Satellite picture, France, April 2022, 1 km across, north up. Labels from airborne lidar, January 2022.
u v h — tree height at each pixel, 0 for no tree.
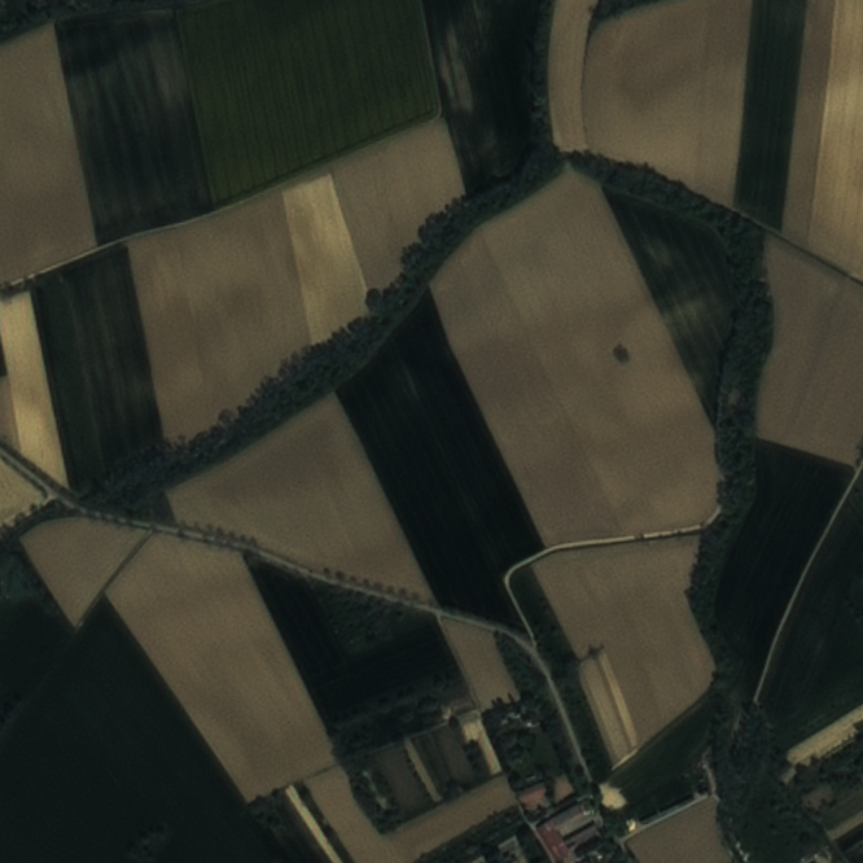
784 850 0
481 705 0
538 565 0
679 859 0
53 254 0
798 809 7
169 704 0
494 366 0
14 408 0
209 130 0
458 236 16
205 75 0
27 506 0
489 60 0
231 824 0
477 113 0
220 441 19
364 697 0
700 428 0
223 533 10
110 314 0
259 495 0
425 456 0
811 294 0
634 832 0
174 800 0
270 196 0
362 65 0
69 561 0
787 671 0
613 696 0
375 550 0
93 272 0
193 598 0
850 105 0
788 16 0
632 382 0
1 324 0
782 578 0
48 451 0
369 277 0
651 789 0
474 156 0
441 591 0
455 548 0
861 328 0
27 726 0
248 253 0
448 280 0
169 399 0
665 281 0
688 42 0
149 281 0
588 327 0
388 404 0
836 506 0
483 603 0
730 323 0
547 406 0
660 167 0
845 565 0
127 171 0
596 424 0
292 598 0
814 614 0
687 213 13
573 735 0
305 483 0
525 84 0
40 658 0
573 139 0
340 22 0
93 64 0
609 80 0
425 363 0
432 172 0
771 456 0
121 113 0
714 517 0
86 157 0
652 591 0
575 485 0
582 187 0
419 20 0
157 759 0
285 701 0
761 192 0
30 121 0
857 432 0
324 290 0
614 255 0
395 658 0
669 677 0
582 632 0
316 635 0
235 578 0
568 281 0
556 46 0
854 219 0
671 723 0
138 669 0
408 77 0
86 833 0
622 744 0
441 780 0
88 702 0
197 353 0
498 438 0
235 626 0
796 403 0
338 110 0
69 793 0
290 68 0
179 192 0
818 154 0
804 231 0
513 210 0
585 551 0
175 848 0
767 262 0
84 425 0
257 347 0
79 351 0
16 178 0
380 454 0
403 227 0
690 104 0
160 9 0
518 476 0
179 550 0
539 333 0
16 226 0
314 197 0
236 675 0
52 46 0
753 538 0
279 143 0
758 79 0
